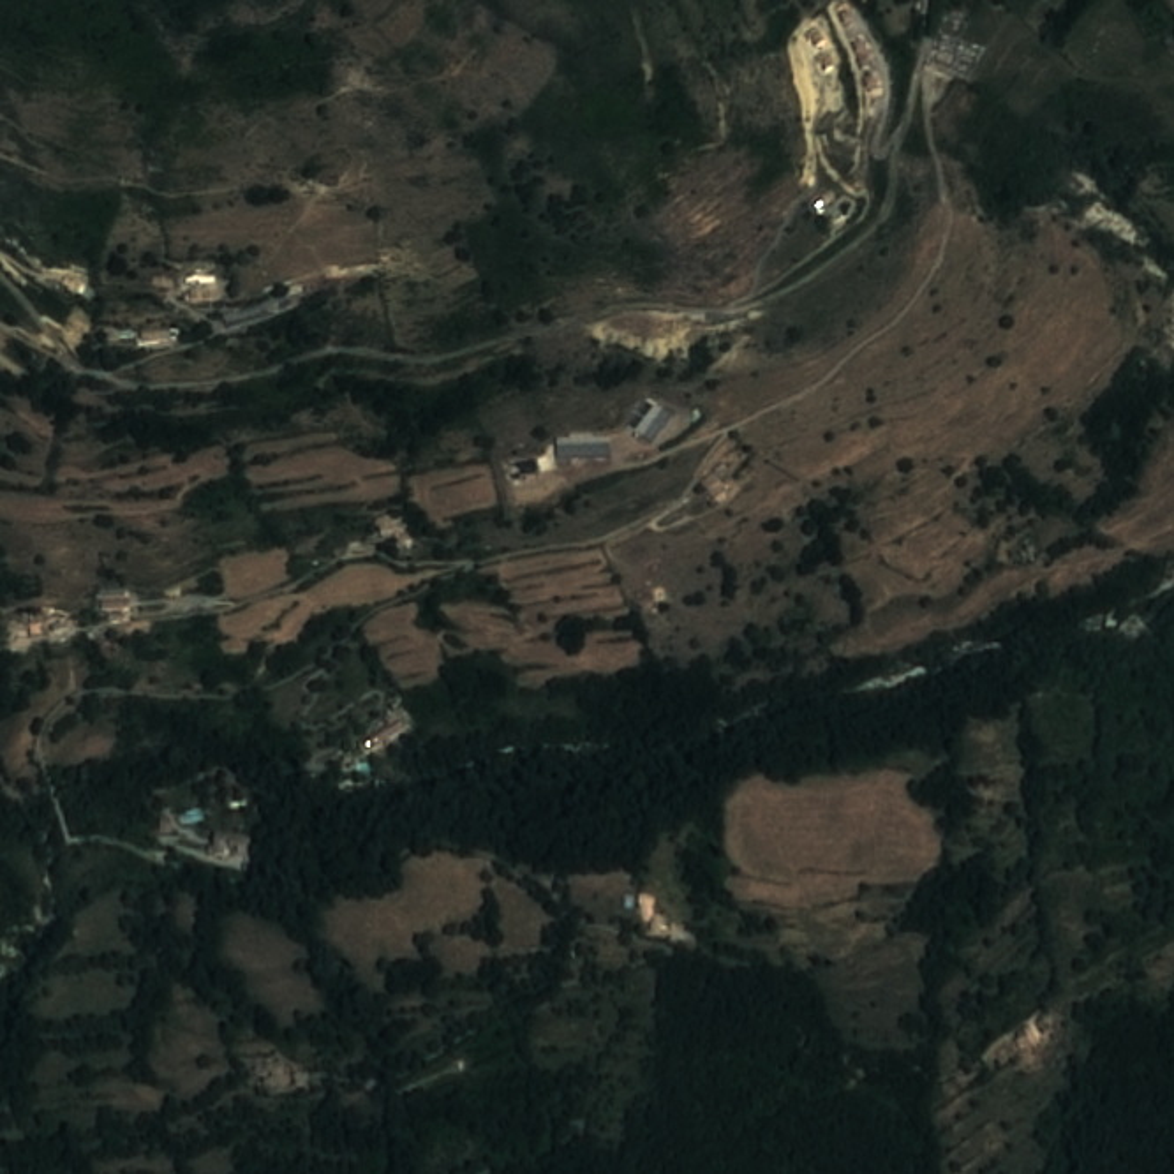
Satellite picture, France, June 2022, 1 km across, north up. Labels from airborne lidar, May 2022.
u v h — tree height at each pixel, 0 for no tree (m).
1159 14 6
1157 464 0
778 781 11
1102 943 15
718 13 0
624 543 0
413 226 0
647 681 21
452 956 0
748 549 0
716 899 9
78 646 6
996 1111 0
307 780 28
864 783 0
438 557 11
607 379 8
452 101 0
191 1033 0
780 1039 13
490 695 11
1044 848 16
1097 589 8
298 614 0
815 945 0
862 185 0
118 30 6
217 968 18
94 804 9
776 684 15
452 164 0
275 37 7
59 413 13
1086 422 12
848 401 0
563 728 10
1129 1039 10
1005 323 13
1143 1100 9
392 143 0
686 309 0
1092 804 17
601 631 0
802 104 0
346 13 11
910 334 0
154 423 15
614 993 10
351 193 0
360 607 7
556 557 0
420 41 0
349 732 11
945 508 0
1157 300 0
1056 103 9
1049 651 9
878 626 0
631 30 0
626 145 0
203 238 0
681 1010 13
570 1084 9
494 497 0
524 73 0
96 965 12
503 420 0
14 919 6
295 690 0
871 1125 10
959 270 0
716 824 13
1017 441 0
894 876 0
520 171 10
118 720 8
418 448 11
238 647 0
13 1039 19
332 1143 7
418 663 0
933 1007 14
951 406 0
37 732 9
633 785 25
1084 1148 14
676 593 0
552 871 11
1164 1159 9
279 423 6
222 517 12
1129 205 10
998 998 6
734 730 20
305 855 13
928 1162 13
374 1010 16
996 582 0
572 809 20
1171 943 0
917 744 13
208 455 0
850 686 6
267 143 0
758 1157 13
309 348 13
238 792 8
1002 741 0
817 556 10
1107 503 12
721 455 0
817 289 0
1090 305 0
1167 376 9
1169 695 9
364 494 0
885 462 0
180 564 0
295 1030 10
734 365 0
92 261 6
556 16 0
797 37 0
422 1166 11
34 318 0
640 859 10
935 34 11
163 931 12
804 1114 10
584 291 0
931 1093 8
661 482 0
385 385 7
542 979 13
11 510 0
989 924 9
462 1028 15
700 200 0
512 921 0
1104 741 16
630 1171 11
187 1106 12
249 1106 12
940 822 9
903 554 0
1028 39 0
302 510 6
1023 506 11
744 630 7
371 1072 11
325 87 11
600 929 0
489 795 17
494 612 0
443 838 7
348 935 0
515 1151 9
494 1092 7
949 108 0
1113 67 0
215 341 7
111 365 12
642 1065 6
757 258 0
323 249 0
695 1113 9
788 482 0
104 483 0
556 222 6
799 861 0
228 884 20
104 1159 8
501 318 11
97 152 0
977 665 17
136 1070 15
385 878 10
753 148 0
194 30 9
